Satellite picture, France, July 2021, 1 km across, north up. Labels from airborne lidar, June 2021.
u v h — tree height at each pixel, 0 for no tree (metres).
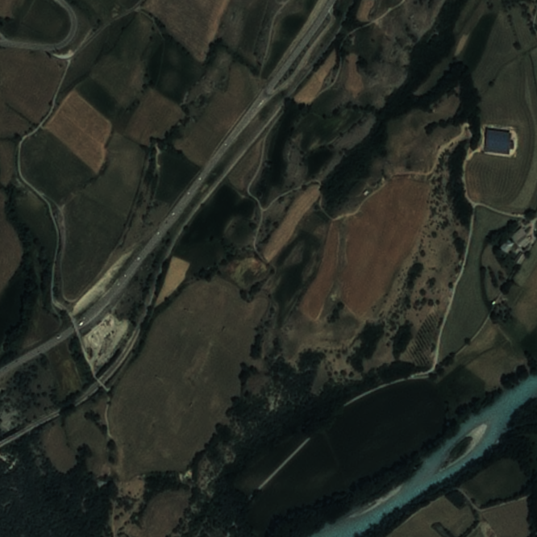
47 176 0
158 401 0
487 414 0
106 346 0
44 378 0
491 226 0
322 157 0
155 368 0
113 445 11
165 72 0
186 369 0
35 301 13
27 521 10
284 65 0
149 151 9
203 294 0
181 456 0
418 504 12
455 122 10
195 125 0
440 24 7
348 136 0
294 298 0
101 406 0
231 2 0
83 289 0
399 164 0
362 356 8
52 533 6
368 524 0
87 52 0
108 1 0
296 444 0
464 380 0
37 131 0
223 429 10
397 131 0
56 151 0
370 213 0
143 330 8
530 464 15
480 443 0
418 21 0
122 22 0
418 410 0
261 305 0
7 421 0
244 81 0
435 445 31
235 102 0
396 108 13
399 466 18
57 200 0
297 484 0
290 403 9
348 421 0
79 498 10
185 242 0
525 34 0
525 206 0
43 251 11
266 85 0
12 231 0
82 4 0
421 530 0
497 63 0
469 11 0
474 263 0
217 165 0
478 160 0
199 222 0
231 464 15
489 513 0
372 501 9
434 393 0
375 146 6
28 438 9
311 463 0
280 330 0
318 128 0
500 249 17
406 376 14
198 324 0
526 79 0
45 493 11
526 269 0
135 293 0
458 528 0
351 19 9
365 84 0
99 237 0
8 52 0
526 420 19
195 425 0
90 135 0
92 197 0
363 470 0
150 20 0
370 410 0
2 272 0
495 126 0
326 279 0
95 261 0
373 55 0
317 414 20
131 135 0
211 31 0
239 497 16
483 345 0
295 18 0
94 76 0
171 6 0
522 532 0
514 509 0
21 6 0
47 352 0
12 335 21
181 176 0
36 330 0
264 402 6
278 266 0
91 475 8
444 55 17
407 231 0
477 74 0
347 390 13
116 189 0
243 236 0
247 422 8
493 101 0
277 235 0
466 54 0
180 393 0
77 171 0
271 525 0
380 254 0
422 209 0
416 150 0
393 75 0
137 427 0
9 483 7
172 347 0
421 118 0
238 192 0
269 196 0
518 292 0
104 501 10
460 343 0
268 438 13
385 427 0
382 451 0
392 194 0
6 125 0
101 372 10
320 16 0
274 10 0
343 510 24
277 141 0
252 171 0
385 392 0
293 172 0
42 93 0
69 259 0
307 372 8
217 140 0
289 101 16
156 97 0
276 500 0
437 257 0
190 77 0
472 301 0
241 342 0
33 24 0
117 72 0
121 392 0
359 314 0
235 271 0
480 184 0
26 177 0
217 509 13
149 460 0
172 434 0
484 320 0
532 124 0
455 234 8
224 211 0
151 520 0
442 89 12
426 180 0
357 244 0
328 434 0
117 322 0
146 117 0
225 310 0
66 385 0
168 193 0
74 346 9
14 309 0
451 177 10
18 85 0
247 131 0
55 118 0
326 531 0
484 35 0
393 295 0
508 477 0
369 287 0
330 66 0
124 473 0
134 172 0
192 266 0
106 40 0
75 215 0
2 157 0
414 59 10
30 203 0
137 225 0
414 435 0
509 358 0
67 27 0
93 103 0
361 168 7
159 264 10
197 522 9
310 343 0
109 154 0
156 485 9
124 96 0
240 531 11
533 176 0
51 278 13
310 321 0
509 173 0
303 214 0
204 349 0
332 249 0
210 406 0
